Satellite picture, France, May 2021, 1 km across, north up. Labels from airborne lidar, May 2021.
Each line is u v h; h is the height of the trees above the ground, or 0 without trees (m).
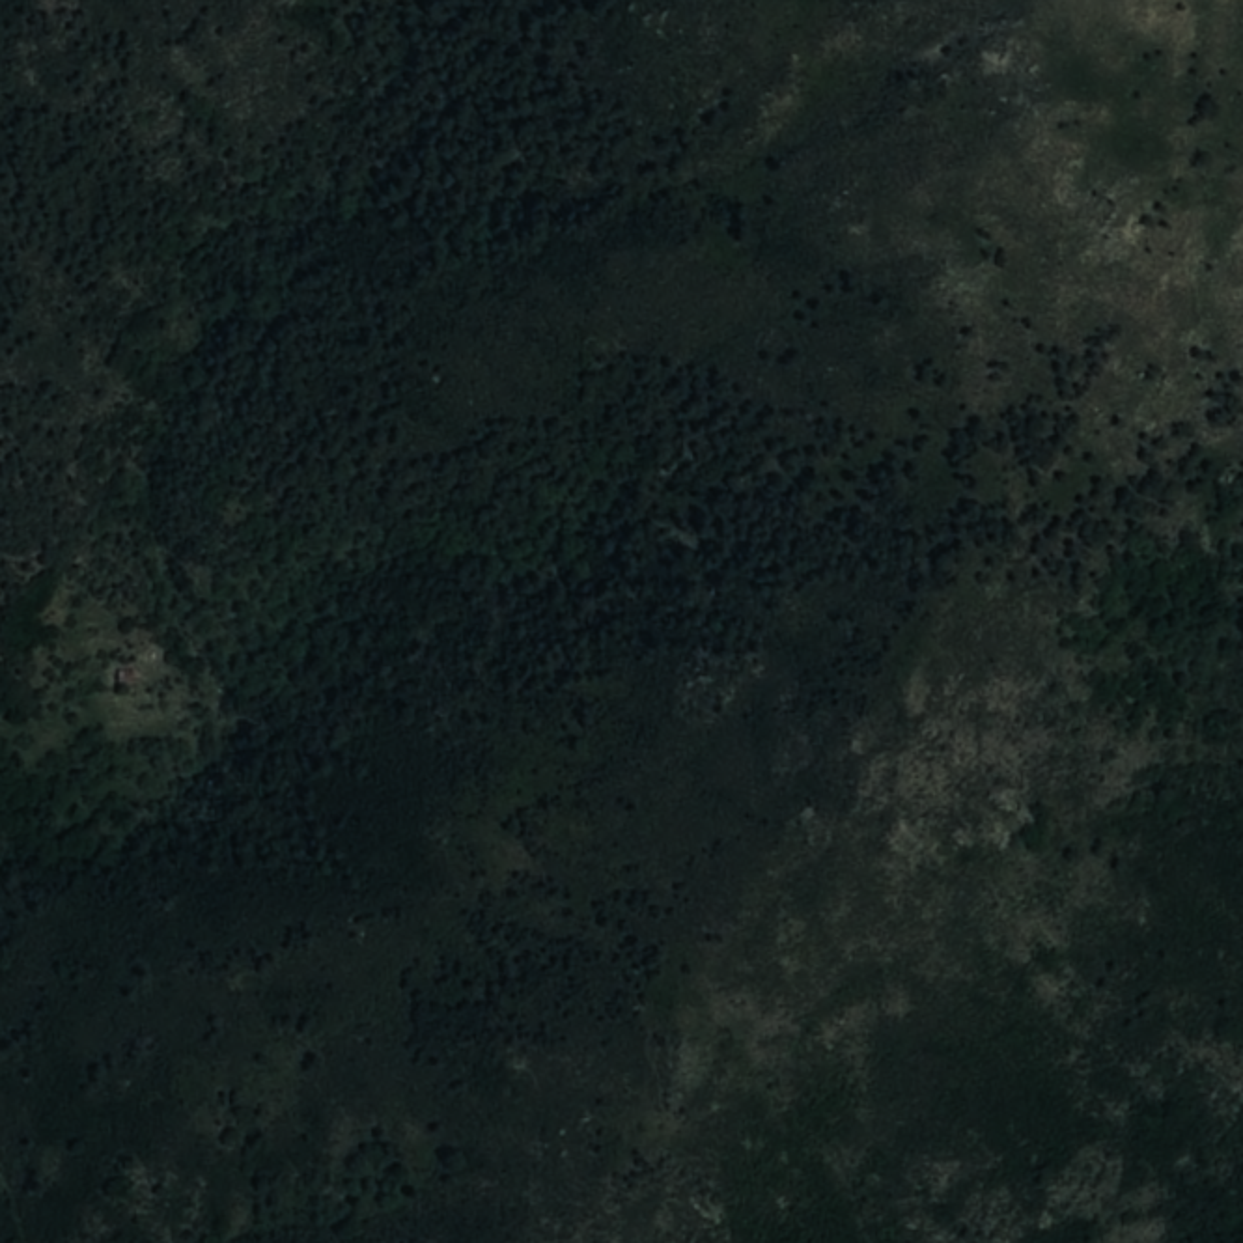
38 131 19
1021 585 21
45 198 20
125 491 18
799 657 6
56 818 19
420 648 11
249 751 12
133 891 7
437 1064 17
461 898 9
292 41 17
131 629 12
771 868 0
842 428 20
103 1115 6
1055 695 12
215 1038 14
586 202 16
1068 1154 6
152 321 18
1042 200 0
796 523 22
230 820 15
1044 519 24
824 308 18
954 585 10
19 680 12
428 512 8
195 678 7
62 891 11
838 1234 6
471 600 19
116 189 17
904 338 0
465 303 9
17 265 17
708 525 18
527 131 22
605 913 11
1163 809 12
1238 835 10
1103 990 18
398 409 16
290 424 15
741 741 0
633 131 20
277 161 6
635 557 16
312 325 18
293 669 14
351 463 17
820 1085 6
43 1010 14
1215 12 0
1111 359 20
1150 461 18
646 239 8
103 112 17
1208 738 9
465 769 8
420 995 13
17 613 16
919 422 21
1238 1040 14
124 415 7
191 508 6
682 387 20
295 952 6
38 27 20
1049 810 18
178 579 9
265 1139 15
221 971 8
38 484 24
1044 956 7
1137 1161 6
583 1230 0
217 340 16
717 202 6
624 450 17
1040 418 17
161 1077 8
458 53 23
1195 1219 11
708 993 0
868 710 8
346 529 16
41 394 18
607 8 19
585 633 11
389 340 8
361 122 18
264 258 15
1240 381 23
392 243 7
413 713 12
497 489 16
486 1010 14
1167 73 0
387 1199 21
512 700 9
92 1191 6
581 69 22
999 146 0
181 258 25
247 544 13
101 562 9
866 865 0
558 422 18
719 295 0
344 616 17
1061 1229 6
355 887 18
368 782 8
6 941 14
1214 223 0
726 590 18
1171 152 0
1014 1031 7
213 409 19
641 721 6
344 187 21
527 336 7
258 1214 14
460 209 31
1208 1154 9
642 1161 9
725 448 16
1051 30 0
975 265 0
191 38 16
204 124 19
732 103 19
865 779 0
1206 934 5
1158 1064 7
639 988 10
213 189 10
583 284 6
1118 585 21
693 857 6
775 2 0
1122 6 0
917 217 0
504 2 21
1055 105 0
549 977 12
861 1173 6
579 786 7
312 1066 17
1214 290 0
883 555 24
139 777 19
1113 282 0
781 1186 7
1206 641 23
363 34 25
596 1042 0
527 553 19
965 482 20
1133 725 12
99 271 18
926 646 0
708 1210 6
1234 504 19
